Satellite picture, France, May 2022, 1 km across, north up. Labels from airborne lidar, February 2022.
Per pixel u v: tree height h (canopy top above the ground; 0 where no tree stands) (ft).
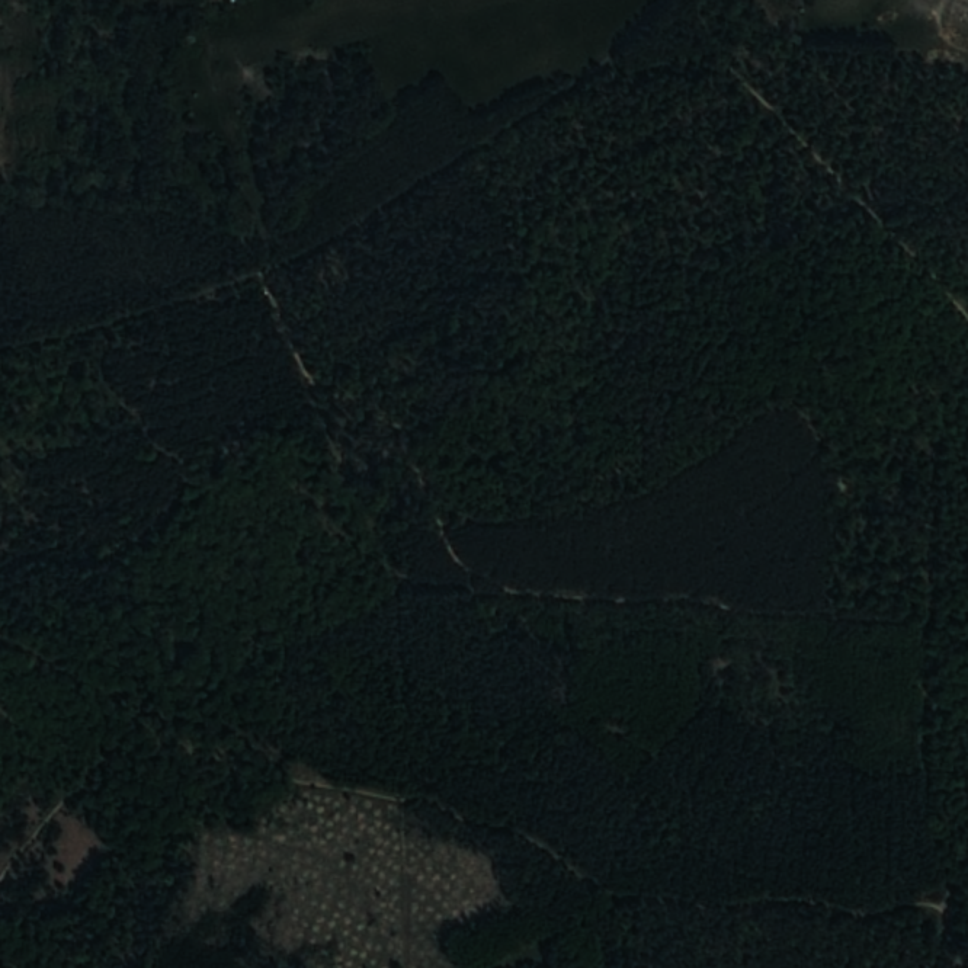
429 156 60
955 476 84
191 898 0
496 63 0
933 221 90
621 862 79
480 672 97
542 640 69
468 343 88
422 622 90
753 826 58
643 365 80
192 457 41
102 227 80
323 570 89
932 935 90
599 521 35
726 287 110
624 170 95
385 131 66
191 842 125
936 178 76
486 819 64
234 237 83
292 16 0
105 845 89
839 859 71
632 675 41
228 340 36
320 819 0
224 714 89
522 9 0
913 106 81
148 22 77
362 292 96
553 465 78
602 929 79
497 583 35
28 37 0
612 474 91
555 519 46
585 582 48
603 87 88
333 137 91
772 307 97
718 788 61
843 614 61
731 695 52
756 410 78
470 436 104
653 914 91
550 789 79
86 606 94
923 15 0
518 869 94
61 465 40
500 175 65
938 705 97
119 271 79
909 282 82
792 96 78
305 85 49
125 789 94
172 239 85
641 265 108
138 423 28
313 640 93
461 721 72
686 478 42
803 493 41
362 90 91
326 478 110
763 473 47
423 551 50
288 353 30
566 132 54
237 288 32
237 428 30
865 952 79
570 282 93
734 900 46
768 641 46
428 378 97
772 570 47
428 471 99
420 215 37
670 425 82
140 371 36
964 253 92
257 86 0
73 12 70
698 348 106
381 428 97
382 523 104
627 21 0
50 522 30
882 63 36
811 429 23
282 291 83
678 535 48
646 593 43
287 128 69
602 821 92
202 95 0
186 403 24
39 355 93
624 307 107
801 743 52
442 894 0
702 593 46
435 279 47
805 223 106
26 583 98
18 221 77
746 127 90
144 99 75
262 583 98
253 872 0
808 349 91
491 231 40
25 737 92
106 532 39
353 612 96
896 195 100
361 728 72
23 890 53
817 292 89
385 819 0
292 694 72
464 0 0
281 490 92
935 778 74
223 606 102
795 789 60
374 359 90
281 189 90
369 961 0
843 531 35
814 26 0
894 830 69
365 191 64
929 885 47
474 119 60
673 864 65
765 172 101
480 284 95
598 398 84
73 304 81
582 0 0
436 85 59
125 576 102
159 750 96
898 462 73
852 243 82
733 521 46
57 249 73
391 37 0
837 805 70
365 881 0
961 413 57
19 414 87
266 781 107
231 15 0
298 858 0
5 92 0
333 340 102
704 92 104
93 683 99
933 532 106
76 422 89
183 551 89
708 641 40
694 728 72
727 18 63
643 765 56
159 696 107
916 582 92
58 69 71
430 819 73
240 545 94
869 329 92
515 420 106
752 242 115
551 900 82
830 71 101
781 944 87
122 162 103
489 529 43
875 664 52
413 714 79
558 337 92
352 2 0
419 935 0
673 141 81
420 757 37
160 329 39
